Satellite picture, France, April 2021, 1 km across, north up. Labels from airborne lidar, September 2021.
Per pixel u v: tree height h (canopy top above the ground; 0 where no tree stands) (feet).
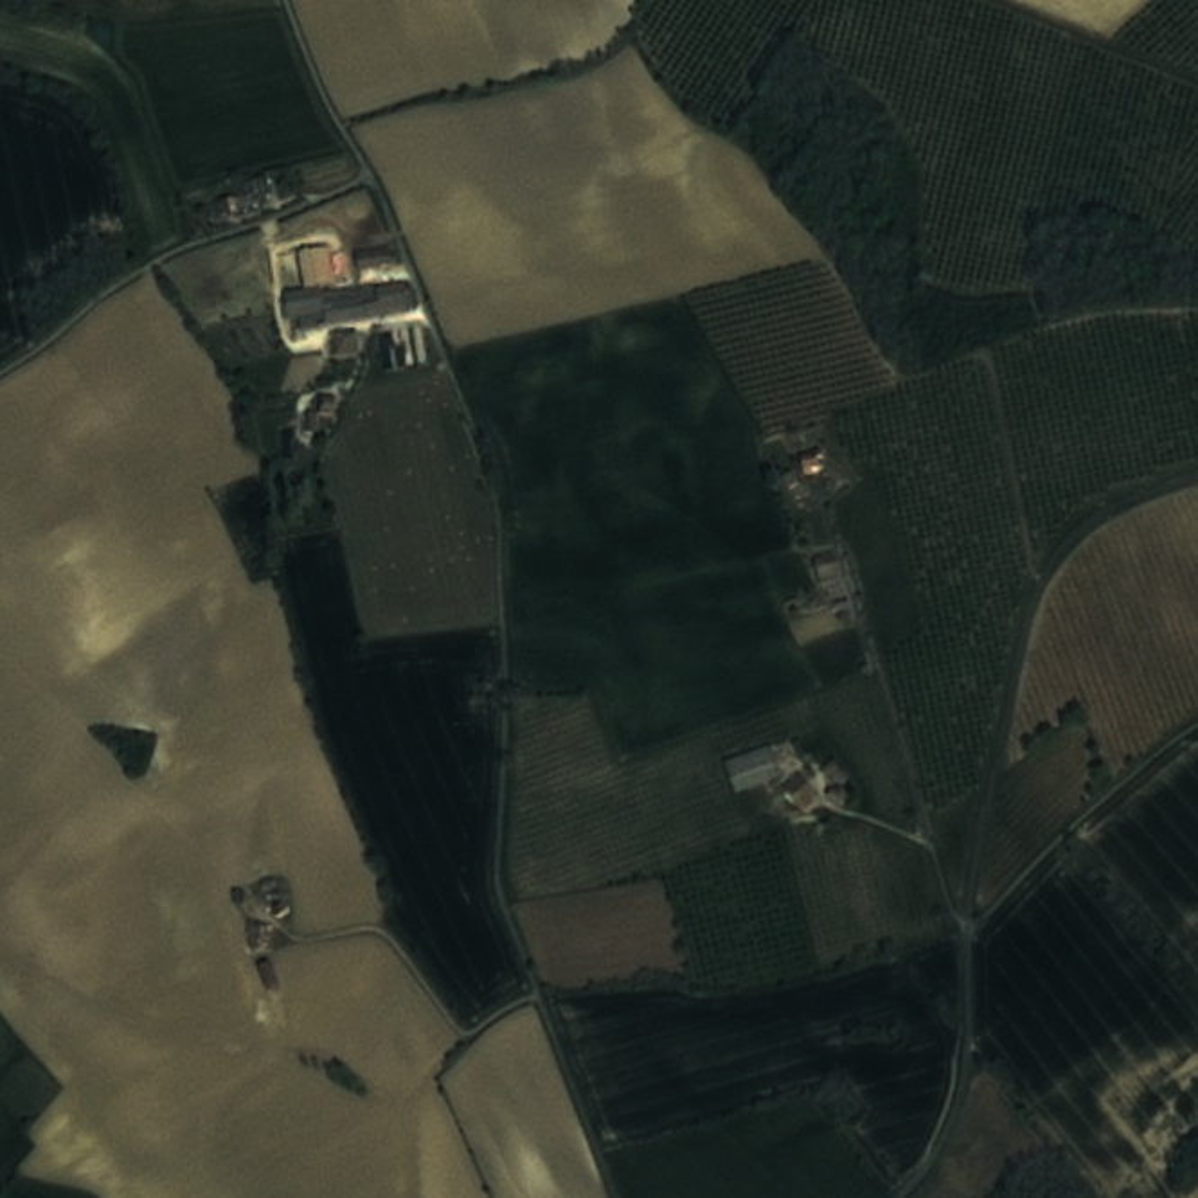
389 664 0
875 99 28
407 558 0
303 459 43
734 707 0
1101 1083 0
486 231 0
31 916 0
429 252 0
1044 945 0
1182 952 0
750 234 0
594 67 34
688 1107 0
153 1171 0
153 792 0
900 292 80
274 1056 0
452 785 0
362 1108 0
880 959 33
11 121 0
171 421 0
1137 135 17
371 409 0
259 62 0
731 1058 0
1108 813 0
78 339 0
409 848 0
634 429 0
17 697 0
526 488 0
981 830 0
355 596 0
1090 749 26
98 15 0
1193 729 0
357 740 0
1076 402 18
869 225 73
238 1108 0
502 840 0
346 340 0
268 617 0
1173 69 0
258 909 0
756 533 0
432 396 0
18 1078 0
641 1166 0
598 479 0
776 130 21
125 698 0
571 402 0
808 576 0
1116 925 0
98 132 43
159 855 0
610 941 0
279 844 0
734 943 20
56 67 0
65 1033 0
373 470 0
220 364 28
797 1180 0
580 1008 0
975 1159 0
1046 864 0
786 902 18
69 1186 0
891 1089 0
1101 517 0
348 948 0
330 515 24
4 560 0
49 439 0
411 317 0
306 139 0
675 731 0
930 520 18
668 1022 0
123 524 0
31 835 0
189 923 0
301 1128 0
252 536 0
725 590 0
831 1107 26
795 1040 0
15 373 0
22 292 48
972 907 0
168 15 0
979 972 0
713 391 0
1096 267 63
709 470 0
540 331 0
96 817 0
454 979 0
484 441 43
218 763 0
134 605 0
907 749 0
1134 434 20
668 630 0
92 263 66
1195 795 0
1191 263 65
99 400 0
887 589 0
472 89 33
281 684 0
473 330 0
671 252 0
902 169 24
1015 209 19
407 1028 0
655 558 0
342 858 0
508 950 0
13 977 0
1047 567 0
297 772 0
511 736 0
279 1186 0
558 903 0
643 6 31
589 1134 0
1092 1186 48
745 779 0
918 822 53
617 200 0
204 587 0
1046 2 0
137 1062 0
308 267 0
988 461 19
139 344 0
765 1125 0
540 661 0
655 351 0
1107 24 0
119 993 0
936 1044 0
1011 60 18
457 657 0
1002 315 18
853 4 19
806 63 63
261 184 0
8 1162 0
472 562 0
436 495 0
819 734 0
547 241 0
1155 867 0
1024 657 0
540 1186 0
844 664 0
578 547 0
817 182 55
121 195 30
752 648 0
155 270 30
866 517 0
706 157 0
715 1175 0
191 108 0
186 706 0
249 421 79
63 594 0
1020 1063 0
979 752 17
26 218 0
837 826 37
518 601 0
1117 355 18
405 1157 0
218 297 0
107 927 0
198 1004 0
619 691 0
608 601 0
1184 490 0
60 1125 0
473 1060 0
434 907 0
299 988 0
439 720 0
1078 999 0
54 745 0
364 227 0
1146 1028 0
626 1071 0
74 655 0
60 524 0
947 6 19
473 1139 0
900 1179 0
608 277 0
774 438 0
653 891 0
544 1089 0
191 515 0
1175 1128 0
